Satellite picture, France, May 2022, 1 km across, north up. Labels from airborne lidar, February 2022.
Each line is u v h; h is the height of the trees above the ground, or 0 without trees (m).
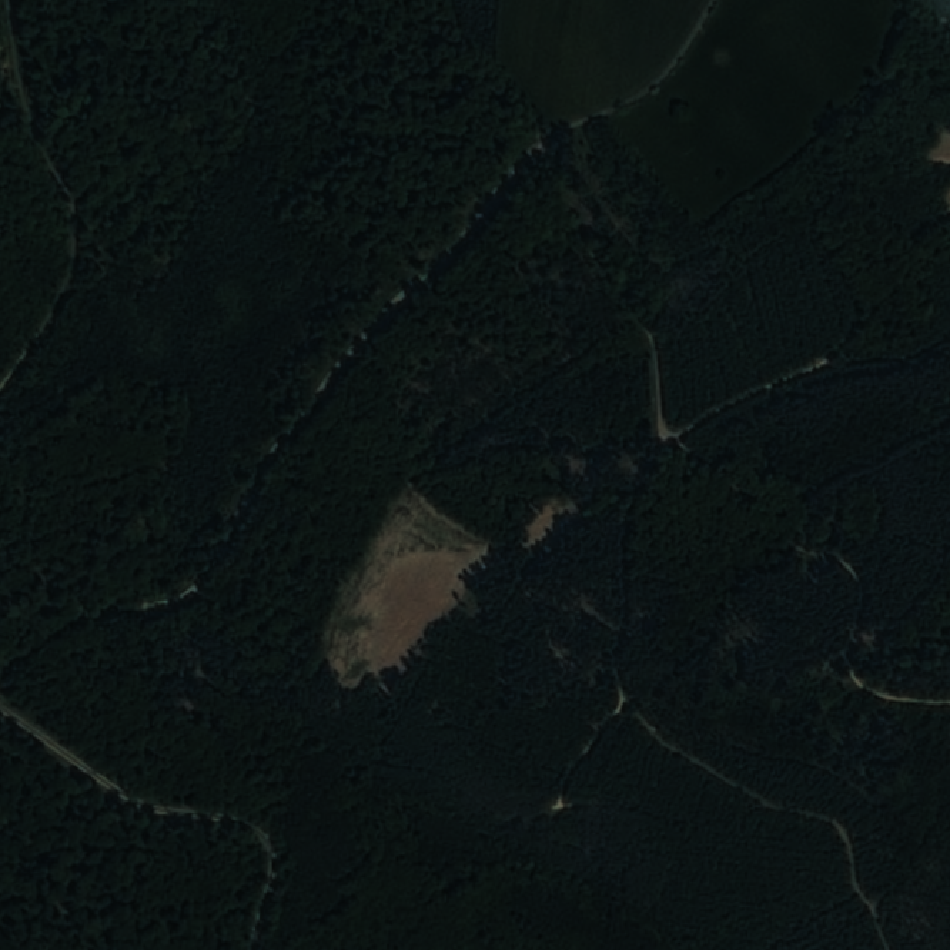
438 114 35
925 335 10
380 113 34
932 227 22
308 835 17
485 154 33
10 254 23
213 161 24
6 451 29
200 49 28
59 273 18
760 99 0
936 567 23
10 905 30
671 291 24
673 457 25
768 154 0
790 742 13
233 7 13
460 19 17
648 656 16
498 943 19
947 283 11
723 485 28
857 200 22
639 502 28
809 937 13
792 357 9
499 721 11
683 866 13
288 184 13
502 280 23
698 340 10
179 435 23
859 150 25
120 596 21
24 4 11
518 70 0
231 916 20
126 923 27
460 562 0
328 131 19
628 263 23
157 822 28
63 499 13
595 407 16
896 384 26
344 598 0
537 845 10
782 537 24
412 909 16
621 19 0
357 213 35
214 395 10
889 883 7
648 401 11
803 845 11
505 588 23
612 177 19
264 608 19
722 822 11
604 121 10
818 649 19
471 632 9
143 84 20
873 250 25
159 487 15
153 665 25
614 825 15
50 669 25
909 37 23
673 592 21
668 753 10
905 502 24
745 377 9
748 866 10
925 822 10
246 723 22
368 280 14
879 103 26
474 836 13
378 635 0
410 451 25
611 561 27
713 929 10
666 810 10
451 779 15
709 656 24
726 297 10
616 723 12
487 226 31
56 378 14
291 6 13
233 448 11
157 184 24
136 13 28
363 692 11
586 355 19
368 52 12
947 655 18
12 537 15
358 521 21
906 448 26
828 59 0
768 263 11
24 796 30
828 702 7
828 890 8
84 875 29
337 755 15
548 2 0
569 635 24
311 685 25
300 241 11
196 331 10
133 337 11
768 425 11
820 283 12
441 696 8
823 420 26
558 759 10
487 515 28
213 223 13
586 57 0
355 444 26
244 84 28
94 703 21
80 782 28
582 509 25
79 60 20
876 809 11
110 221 12
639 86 0
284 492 21
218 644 24
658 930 15
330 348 23
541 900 19
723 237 17
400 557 0
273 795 22
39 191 26
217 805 20
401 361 24
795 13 0
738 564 21
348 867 14
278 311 7
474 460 23
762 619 24
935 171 11
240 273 14
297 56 19
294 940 17
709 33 0
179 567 20
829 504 25
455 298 21
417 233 34
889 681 18
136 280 13
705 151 0
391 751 13
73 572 27
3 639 19
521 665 25
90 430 18
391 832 17
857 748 23
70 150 29
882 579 24
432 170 36
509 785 14
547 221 31
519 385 12
